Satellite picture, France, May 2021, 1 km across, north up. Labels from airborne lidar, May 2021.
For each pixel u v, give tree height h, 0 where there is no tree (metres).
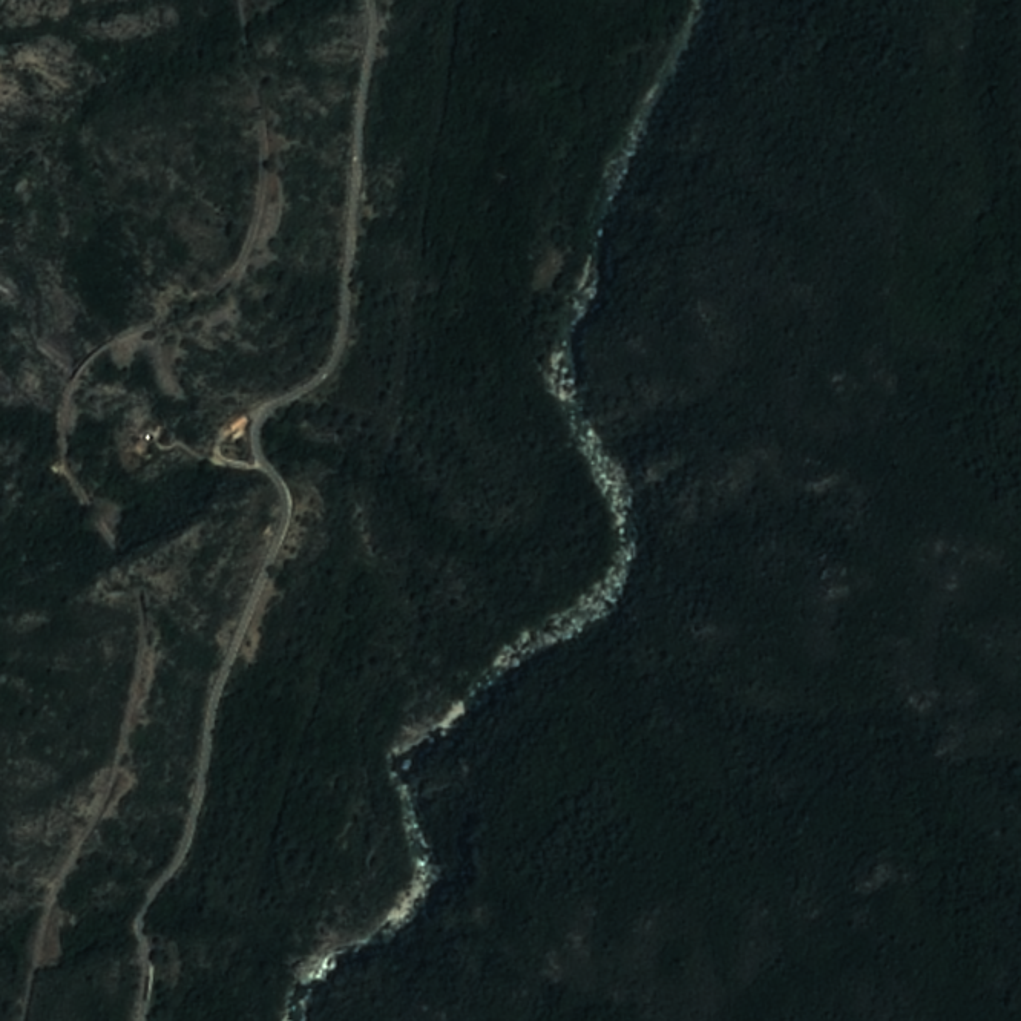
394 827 7
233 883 21
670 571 7
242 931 6
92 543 7
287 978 9
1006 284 12
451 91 11
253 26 12
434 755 17
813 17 22
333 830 12
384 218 6
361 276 7
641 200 6
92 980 15
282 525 0
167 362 0
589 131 10
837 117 8
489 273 19
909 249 8
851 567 8
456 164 13
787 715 10
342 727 9
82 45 8
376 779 9
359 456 15
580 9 12
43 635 6
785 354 7
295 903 8
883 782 6
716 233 13
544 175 11
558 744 9
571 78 18
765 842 8
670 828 7
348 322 0
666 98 14
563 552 8
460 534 14
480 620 10
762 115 8
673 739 5
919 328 6
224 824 12
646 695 6
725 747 11
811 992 6
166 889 12
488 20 20
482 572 13
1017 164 13
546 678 6
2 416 11
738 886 5
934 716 6
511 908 7
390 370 14
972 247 8
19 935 7
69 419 0
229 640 0
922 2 6
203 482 7
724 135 6
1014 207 13
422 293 7
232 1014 15
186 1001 9
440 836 17
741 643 5
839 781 12
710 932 5
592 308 12
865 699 9
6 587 8
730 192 6
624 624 15
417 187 9
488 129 12
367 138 7
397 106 11
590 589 18
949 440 7
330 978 7
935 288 11
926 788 16
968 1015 6
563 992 12
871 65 15
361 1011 6
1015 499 6
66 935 10
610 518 17
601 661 18
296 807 12
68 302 0
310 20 8
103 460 9
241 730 11
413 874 6
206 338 0
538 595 12
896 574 7
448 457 16
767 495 6
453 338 18
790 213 6
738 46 5
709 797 8
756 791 9
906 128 6
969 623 9
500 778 8
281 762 22
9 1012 17
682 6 17
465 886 14
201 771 0
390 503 16
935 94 5
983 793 7
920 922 6
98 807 0
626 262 14
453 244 15
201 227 0
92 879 8
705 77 12
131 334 0
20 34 6
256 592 0
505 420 16
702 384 7
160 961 14
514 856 17
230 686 11
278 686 25
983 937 12
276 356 11
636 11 12
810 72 14
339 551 9
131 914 11
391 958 11
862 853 7
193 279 6
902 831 7
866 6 8
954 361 7
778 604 6
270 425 11
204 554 6
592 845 13
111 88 9
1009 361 12
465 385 16
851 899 6
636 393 6
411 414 7
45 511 10
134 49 13
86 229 0
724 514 6
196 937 14
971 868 15
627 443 14
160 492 8
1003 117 14
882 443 6
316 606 6
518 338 14
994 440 14
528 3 15
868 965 6
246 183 18
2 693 5
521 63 21
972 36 7
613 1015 18
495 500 10
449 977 12
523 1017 6
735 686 8
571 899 6
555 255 0
